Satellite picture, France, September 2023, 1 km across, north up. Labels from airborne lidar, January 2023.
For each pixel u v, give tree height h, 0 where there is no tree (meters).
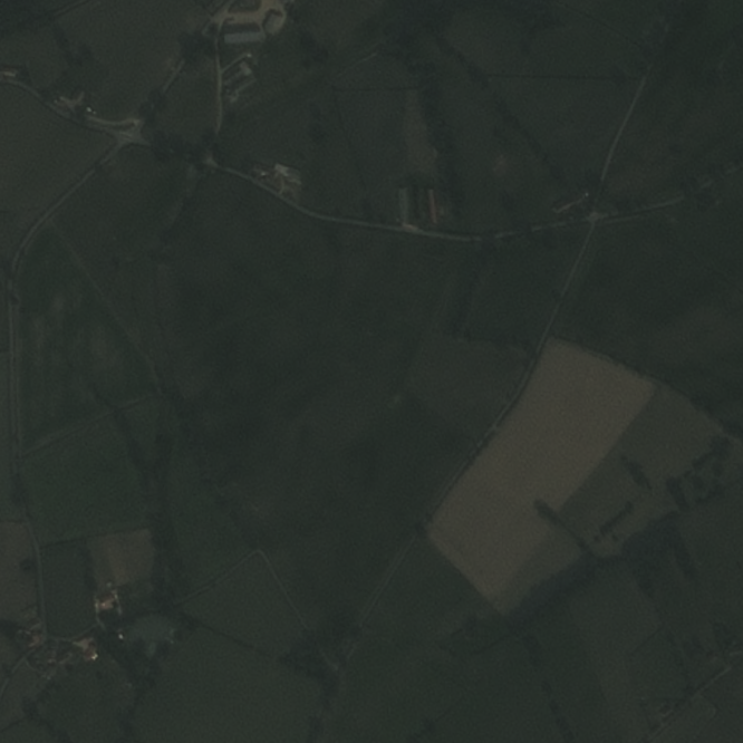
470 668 0
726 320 0
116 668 0
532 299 0
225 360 0
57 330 0
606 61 0
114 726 0
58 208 0
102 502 0
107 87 0
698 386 0
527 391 0
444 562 0
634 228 0
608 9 0
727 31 0
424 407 0
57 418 0
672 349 0
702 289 0
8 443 0
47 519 0
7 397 0
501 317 0
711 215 0
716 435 0
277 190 0
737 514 0
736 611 0
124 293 0
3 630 6
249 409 0
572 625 0
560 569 0
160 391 11
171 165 0
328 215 0
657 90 0
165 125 0
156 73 0
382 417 0
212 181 0
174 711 0
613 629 0
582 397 0
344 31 0
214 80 0
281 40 0
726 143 0
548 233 18
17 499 13
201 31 0
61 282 0
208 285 0
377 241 0
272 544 0
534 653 14
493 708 0
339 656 13
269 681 0
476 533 0
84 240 0
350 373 0
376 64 0
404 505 0
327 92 0
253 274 0
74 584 0
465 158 0
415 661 0
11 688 0
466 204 0
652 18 0
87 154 0
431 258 0
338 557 0
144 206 0
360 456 0
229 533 0
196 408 0
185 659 0
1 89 0
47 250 0
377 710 0
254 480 0
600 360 0
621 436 0
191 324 0
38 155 0
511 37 0
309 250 0
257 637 0
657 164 0
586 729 0
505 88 0
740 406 0
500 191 0
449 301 0
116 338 0
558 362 0
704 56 0
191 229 0
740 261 0
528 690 0
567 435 0
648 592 12
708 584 0
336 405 0
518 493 0
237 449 0
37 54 0
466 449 0
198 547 0
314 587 0
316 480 0
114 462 0
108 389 0
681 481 7
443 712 0
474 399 0
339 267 0
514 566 0
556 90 0
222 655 0
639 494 0
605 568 8
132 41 0
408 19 26
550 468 0
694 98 0
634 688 0
